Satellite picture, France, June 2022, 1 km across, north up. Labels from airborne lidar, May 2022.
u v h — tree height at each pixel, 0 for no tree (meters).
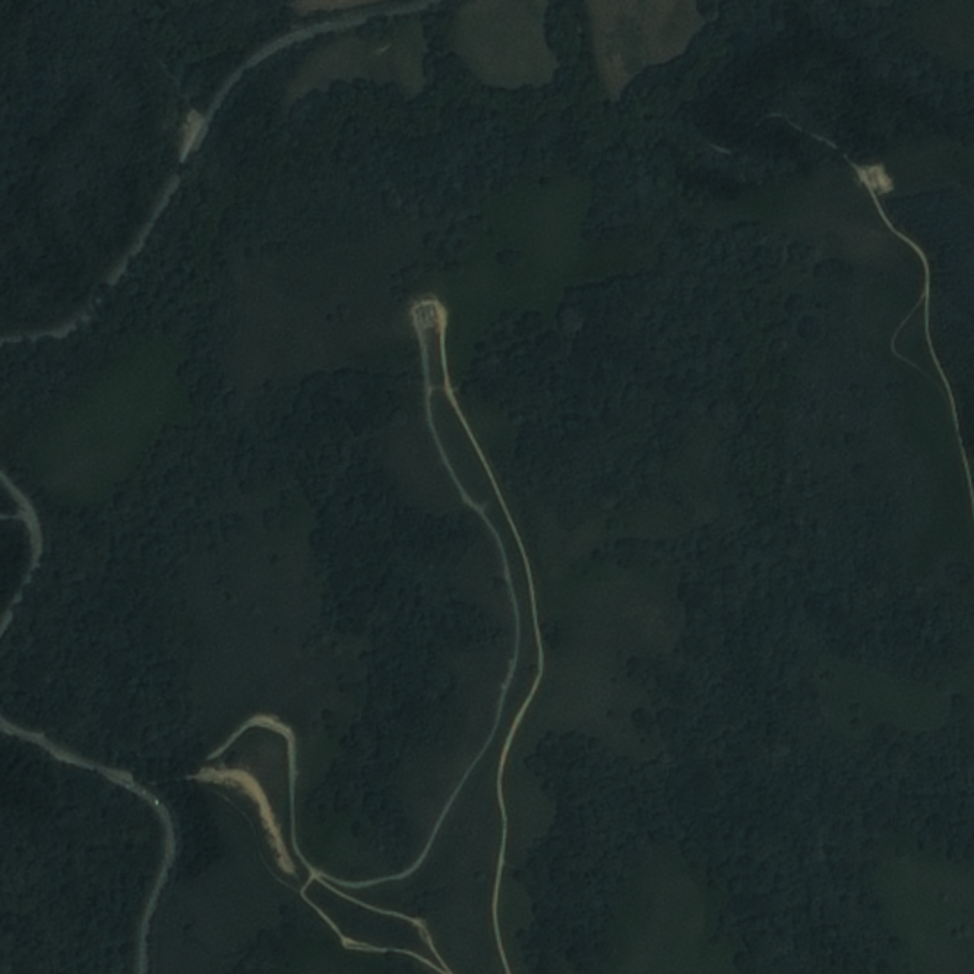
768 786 18
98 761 12
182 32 26
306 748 0
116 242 9
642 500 13
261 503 0
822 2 15
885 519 8
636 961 0
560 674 0
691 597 15
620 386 17
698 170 16
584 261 0
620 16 0
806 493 13
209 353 17
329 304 0
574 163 12
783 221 0
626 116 21
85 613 13
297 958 0
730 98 8
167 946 0
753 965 17
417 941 0
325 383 16
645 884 0
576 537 0
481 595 0
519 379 25
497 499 0
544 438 15
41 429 0
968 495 0
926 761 14
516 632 0
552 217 0
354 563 12
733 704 22
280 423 6
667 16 0
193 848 13
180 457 7
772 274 15
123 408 0
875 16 17
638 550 15
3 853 16
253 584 0
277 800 0
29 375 20
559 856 18
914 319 0
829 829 6
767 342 17
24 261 12
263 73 15
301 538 0
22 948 15
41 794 12
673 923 0
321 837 0
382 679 19
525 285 0
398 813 8
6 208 7
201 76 24
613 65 0
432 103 24
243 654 0
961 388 6
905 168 0
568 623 0
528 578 0
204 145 8
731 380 21
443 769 0
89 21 6
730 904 11
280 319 0
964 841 15
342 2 0
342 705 0
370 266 0
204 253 22
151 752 13
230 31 26
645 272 7
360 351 0
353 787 16
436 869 0
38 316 11
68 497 0
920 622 14
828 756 8
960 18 0
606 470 7
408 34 0
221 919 0
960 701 13
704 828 20
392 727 22
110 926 17
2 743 19
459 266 9
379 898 0
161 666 19
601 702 0
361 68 0
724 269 23
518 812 0
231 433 10
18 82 12
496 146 20
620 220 19
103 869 15
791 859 12
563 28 24
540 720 0
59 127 12
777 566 18
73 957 10
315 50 12
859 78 8
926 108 13
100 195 7
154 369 0
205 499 7
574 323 23
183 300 24
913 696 0
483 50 0
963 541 0
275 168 28
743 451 21
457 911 0
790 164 17
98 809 18
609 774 17
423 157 6
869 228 0
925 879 0
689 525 0
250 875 0
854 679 0
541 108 24
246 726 0
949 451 0
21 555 10
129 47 18
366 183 9
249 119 28
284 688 0
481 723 0
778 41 10
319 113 24
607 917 10
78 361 24
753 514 12
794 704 8
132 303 26
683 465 0
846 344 0
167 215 13
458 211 12
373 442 12
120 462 0
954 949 0
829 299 0
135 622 22
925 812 17
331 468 16
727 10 21
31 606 14
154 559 18
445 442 0
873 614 6
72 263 12
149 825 12
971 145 9
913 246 0
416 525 19
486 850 0
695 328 10
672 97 11
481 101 17
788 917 15
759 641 15
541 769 15
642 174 19
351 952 0
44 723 15
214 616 0
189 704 7
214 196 21
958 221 8
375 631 13
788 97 6
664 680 14
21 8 13
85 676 8
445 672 9
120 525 20
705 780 23
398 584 15
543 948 10
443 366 0
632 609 0
